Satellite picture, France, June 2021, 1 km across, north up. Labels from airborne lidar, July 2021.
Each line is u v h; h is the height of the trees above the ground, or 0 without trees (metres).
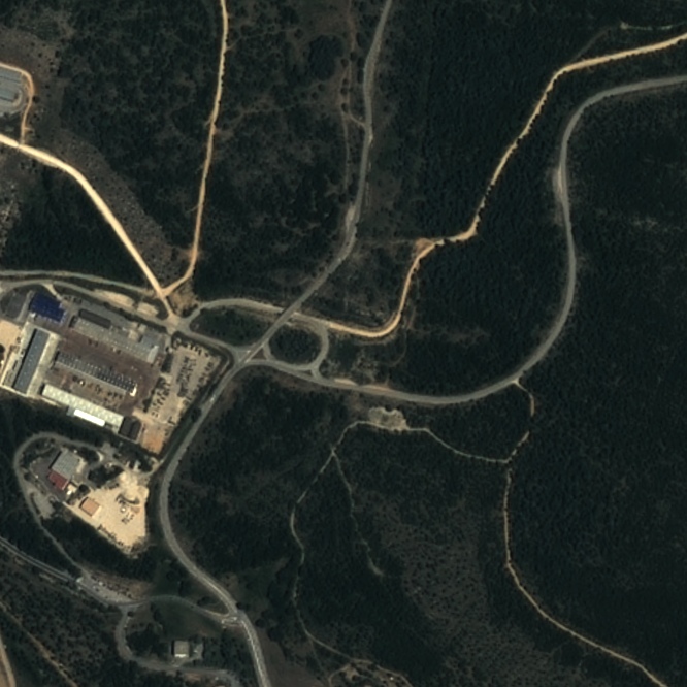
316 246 9
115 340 0
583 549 12
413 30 8
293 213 7
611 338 6
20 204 8
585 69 7
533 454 9
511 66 11
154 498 0
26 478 9
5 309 0
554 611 7
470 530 7
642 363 7
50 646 10
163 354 0
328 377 0
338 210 10
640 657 5
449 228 11
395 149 7
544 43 9
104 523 0
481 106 11
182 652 0
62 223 7
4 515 7
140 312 0
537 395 6
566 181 0
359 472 8
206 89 7
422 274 8
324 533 7
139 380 0
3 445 8
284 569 11
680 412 6
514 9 8
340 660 10
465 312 7
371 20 10
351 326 0
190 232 7
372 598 11
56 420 7
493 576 6
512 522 11
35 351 0
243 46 7
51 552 11
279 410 8
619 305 8
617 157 8
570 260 0
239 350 0
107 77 8
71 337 0
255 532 9
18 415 9
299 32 9
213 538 7
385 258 9
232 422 9
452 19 6
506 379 0
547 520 11
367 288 7
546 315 8
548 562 8
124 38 8
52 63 7
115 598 0
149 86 7
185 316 11
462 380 6
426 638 9
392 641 9
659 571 5
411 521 7
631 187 8
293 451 6
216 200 7
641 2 6
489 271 6
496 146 9
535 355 0
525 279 8
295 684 0
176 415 0
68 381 0
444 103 9
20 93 0
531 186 10
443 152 8
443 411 9
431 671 9
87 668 10
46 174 9
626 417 6
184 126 8
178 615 0
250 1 0
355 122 0
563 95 9
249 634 0
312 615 7
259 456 7
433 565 12
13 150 0
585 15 6
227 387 0
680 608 7
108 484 0
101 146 7
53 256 7
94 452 6
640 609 7
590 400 9
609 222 12
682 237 5
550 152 8
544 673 8
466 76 12
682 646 11
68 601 8
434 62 7
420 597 6
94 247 9
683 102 7
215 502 9
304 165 6
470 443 7
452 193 10
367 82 0
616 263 6
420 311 7
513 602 8
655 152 8
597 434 6
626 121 10
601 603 7
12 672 0
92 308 0
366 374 0
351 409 0
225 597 0
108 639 10
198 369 0
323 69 12
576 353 9
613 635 6
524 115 13
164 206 6
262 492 7
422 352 6
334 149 7
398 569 6
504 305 8
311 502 7
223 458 8
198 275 7
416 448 5
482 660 7
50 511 0
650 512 6
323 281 0
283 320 0
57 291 0
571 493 11
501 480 8
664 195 8
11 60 0
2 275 0
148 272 0
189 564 0
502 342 8
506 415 6
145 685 7
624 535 6
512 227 13
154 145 6
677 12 7
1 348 10
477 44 11
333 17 0
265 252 10
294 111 9
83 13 6
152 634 10
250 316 0
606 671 9
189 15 6
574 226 7
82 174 0
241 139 8
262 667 0
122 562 12
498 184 6
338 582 8
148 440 0
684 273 8
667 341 5
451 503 7
